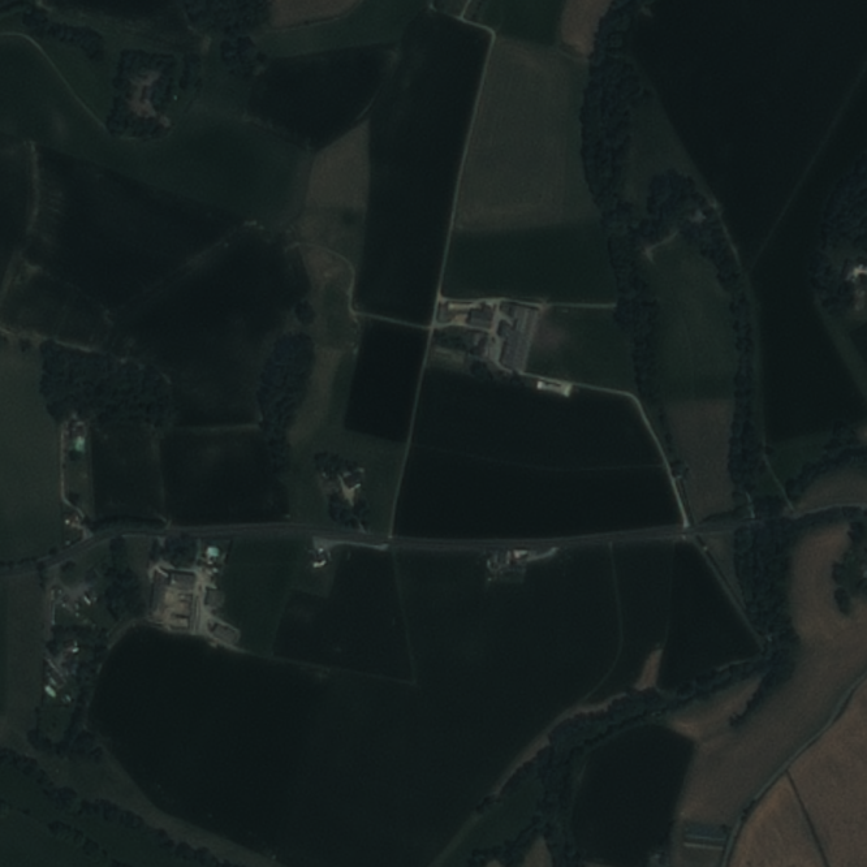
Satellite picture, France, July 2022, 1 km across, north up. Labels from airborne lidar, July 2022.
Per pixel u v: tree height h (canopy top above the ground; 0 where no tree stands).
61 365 20
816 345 0
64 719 0
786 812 0
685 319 0
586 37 0
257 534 0
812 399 0
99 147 0
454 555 0
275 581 0
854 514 15
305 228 0
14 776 0
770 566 26
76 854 0
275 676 0
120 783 0
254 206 0
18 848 0
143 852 0
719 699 0
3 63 0
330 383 0
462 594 0
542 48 0
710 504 0
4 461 0
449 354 0
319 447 0
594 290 0
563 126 0
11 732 0
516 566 7
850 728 0
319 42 0
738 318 9
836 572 11
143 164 0
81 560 0
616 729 6
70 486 0
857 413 0
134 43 0
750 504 0
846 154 0
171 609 0
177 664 0
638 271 10
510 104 0
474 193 0
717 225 15
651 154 0
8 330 0
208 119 0
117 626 0
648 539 0
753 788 0
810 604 0
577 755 18
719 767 0
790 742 0
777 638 16
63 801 13
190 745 0
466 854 0
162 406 14
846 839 0
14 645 0
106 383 11
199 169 0
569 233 0
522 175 0
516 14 0
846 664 0
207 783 0
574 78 0
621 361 0
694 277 0
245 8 27
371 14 0
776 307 0
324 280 0
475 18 6
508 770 0
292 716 0
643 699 23
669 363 0
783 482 0
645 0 22
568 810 13
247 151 0
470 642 0
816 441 0
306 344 23
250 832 0
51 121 0
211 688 0
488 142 0
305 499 0
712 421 0
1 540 0
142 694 0
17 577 0
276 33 0
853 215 25
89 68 0
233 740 0
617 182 26
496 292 0
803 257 0
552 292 0
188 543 15
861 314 0
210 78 0
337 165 0
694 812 0
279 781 0
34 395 0
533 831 8
